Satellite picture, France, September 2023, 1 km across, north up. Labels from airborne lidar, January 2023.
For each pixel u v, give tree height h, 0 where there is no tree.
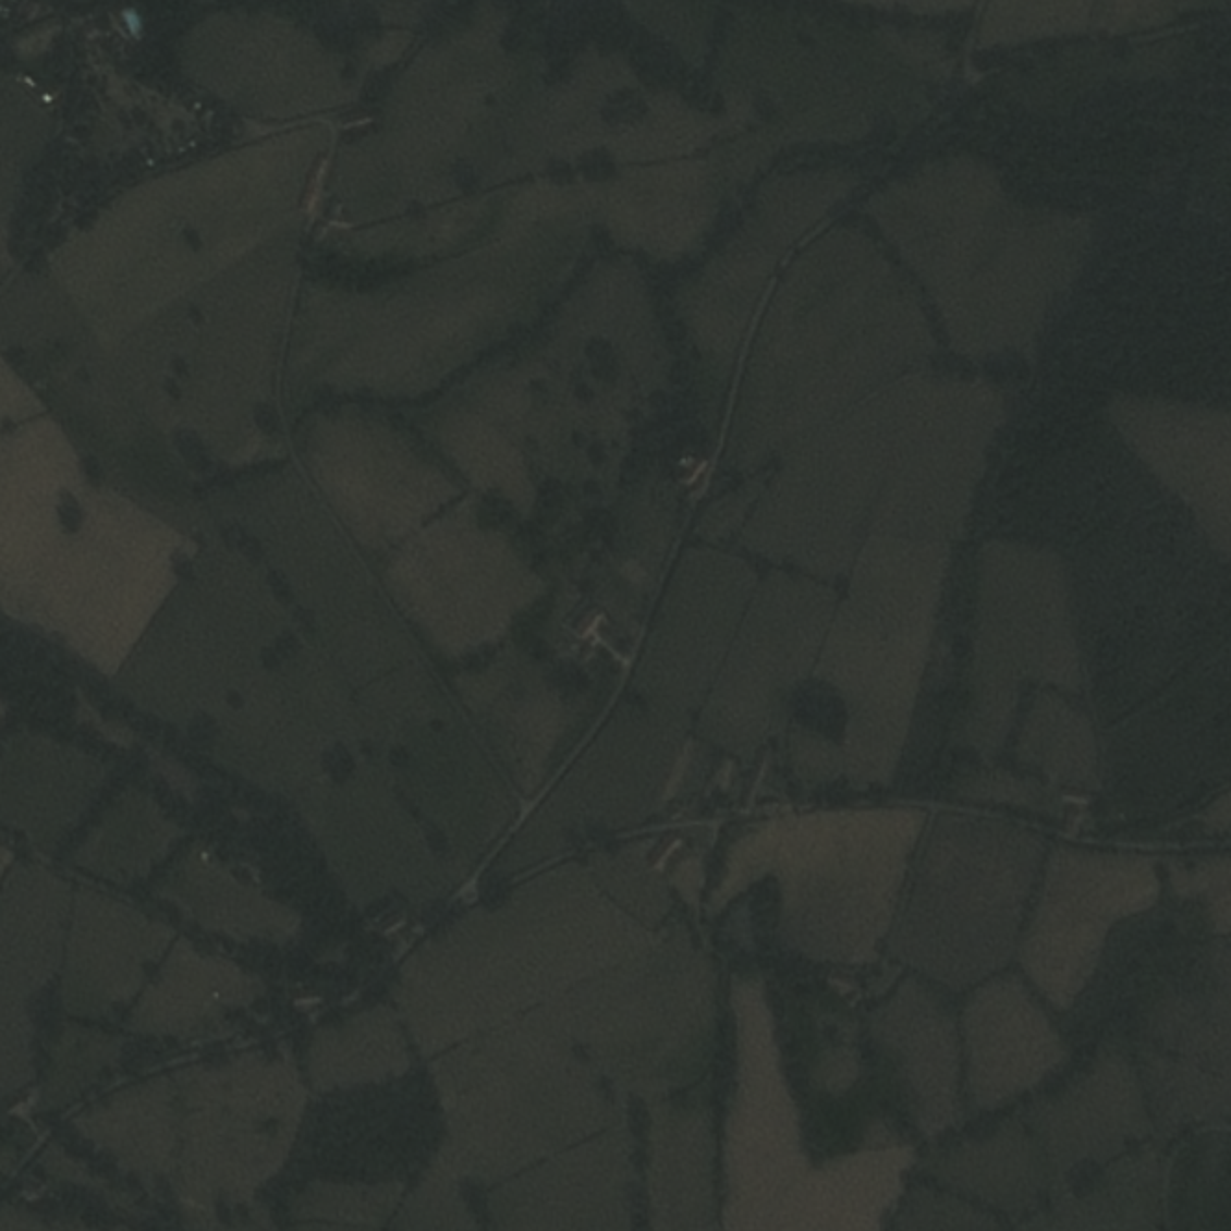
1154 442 0
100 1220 21
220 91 0
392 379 0
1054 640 0
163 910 8
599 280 0
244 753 0
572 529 0
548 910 0
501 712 0
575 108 0
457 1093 0
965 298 0
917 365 0
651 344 0
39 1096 0
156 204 0
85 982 0
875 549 0
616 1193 0
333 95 0
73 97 14
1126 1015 17
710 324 0
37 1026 21
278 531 0
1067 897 0
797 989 14
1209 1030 0
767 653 0
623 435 0
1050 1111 0
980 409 0
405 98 0
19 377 0
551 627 0
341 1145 7
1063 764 0
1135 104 14
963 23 11
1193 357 18
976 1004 0
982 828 0
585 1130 0
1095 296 15
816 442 0
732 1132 0
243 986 0
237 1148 0
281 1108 0
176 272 0
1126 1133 0
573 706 0
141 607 0
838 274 0
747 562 8
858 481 0
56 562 0
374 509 0
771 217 0
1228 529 0
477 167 0
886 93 0
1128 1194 0
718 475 7
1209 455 0
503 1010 0
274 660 12
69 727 20
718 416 0
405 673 0
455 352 0
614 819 0
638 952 0
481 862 0
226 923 0
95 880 9
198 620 0
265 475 7
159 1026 0
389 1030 0
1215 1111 0
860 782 0
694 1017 0
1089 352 21
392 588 0
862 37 0
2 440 0
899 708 0
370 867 0
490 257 0
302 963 22
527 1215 0
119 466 0
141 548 0
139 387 0
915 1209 0
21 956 0
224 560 0
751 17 0
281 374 0
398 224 0
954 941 0
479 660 14
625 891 0
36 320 0
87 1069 0
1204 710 6
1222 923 0
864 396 0
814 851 0
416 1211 0
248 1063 0
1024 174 7
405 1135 17
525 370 0
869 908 0
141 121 12
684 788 0
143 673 0
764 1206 0
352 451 0
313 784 0
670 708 0
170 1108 0
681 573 0
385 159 0
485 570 0
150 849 0
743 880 0
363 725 0
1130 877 0
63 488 0
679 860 0
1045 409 12
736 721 0
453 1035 0
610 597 0
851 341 0
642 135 0
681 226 0
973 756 14
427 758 0
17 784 0
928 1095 0
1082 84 0
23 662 12
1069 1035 7
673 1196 0
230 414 0
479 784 0
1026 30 0
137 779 14
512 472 0
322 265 8
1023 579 0
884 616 0
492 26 0
